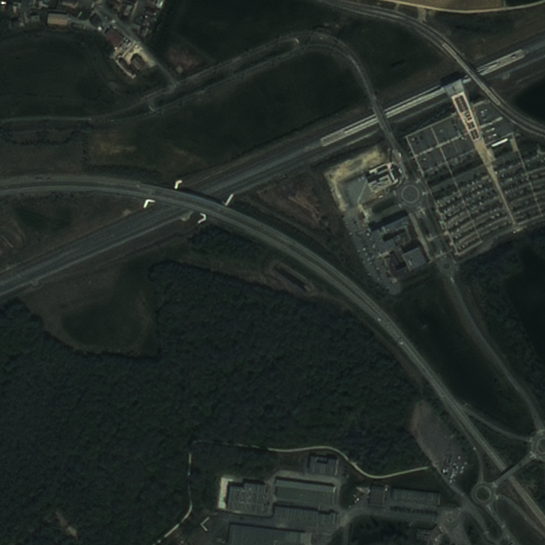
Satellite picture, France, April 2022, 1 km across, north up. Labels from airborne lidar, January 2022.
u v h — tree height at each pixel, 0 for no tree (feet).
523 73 0
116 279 0
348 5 0
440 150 0
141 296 0
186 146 0
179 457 86
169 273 65
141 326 0
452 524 0
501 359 0
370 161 0
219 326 75
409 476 0
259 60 0
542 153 0
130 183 0
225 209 0
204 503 50
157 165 0
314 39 0
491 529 0
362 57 0
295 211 0
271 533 0
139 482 82
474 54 0
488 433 28
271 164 0
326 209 0
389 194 0
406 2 0
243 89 0
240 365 82
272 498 0
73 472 66
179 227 0
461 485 0
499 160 0
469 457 27
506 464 0
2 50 0
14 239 0
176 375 77
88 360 65
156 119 0
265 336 90
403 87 0
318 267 0
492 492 0
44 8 31
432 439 0
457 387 0
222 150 0
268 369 81
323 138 0
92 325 0
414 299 0
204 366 67
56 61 0
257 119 0
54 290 0
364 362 84
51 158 0
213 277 60
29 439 70
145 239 0
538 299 0
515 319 78
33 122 0
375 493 0
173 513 82
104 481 79
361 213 0
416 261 0
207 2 0
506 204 0
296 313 87
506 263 79
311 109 0
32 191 0
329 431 61
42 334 72
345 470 0
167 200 0
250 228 0
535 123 0
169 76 0
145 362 72
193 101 0
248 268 0
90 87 0
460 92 0
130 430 82
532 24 0
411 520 0
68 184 0
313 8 0
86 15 0
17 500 47
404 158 0
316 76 0
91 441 62
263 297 79
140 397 65
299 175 0
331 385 75
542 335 0
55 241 0
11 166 0
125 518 67
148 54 0
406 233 0
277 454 43
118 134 0
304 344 86
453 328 0
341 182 0
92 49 0
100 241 0
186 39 0
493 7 0
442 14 26
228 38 0
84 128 28
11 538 54
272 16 0
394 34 0
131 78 0
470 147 0
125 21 39
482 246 0
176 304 83
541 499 22
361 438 50
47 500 44
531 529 0
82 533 38
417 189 0
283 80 0
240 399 87
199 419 66
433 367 0
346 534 0
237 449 77
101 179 0
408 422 0
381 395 62
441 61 0
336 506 0
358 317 54
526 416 0
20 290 0
